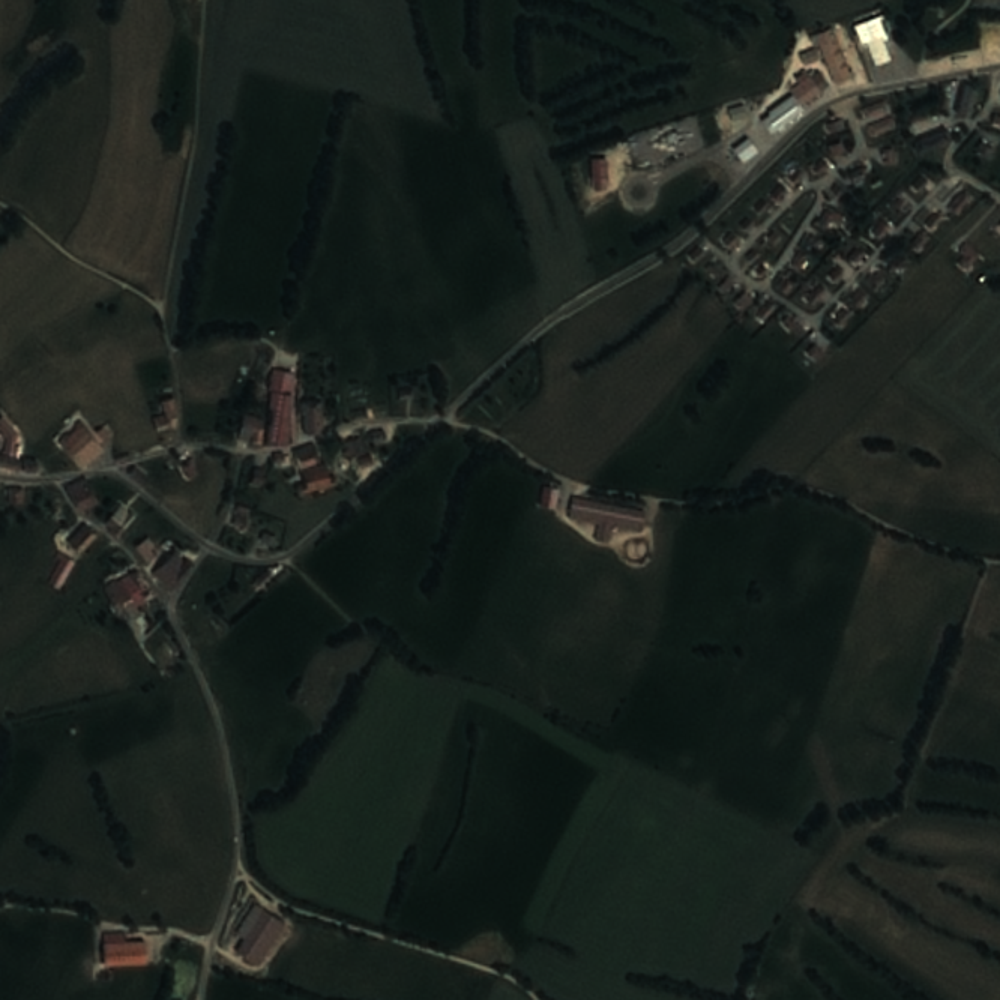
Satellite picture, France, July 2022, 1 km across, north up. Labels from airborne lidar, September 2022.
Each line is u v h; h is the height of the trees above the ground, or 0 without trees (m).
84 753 0
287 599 0
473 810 0
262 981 7
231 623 8
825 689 0
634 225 0
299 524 0
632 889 0
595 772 0
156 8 0
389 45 0
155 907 0
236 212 0
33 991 0
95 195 0
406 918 0
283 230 0
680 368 0
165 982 12
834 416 0
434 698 0
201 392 0
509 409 0
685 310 0
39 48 0
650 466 0
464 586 0
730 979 0
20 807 0
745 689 0
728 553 0
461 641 0
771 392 0
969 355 0
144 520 0
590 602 0
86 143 0
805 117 0
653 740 0
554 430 0
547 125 0
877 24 0
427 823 0
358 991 0
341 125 20
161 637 0
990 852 0
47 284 0
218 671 0
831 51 0
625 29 23
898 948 0
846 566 0
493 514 0
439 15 0
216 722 0
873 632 0
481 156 0
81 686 0
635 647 0
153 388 0
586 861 0
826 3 0
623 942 0
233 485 7
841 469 0
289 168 0
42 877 0
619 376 0
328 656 0
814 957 0
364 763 0
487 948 0
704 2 24
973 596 0
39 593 0
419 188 0
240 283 0
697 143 0
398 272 0
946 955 0
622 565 0
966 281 0
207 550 0
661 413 0
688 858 0
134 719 0
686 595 0
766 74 0
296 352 0
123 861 14
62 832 0
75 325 0
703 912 0
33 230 0
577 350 0
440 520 0
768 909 0
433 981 0
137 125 0
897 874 0
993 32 0
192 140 0
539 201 0
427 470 0
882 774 0
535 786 0
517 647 0
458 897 0
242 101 0
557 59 0
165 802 0
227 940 0
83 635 0
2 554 0
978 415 0
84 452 0
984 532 0
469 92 0
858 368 0
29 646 0
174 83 0
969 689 0
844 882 0
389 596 0
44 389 0
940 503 0
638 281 0
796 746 0
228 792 0
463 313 0
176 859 0
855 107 0
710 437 0
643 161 0
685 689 0
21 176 0
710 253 0
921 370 0
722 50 0
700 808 0
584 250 0
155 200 0
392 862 0
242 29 0
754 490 14
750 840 0
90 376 0
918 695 0
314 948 0
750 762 0
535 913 0
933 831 0
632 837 0
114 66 0
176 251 0
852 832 0
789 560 0
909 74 0
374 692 0
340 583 0
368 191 0
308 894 0
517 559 0
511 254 0
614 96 20
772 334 0
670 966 0
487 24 0
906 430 0
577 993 0
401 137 0
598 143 16
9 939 0
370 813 0
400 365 0
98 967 0
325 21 0
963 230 0
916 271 0
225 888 0
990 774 16
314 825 0
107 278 0
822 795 0
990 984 0
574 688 0
